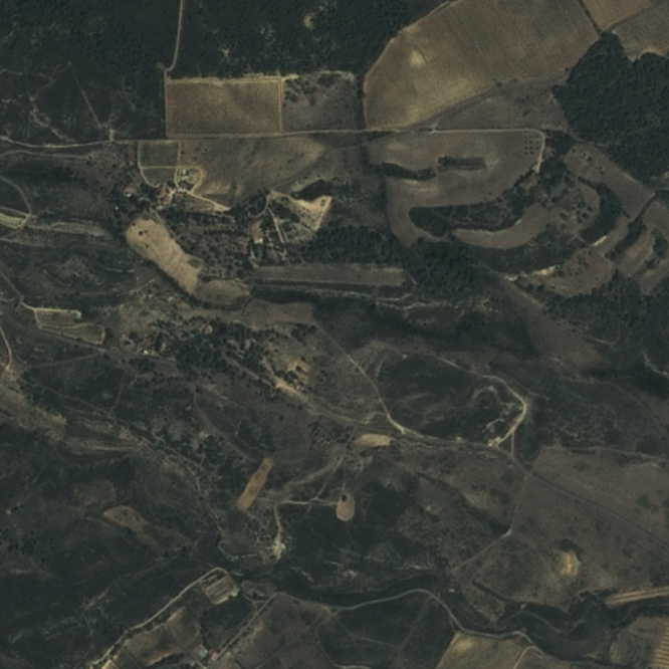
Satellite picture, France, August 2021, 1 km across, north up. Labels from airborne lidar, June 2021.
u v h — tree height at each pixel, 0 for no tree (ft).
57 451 0
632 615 0
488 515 0
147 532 0
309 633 0
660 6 0
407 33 0
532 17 0
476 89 0
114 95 0
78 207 0
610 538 0
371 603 0
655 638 0
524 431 0
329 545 0
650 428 0
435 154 0
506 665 0
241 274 38
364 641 0
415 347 0
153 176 0
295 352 0
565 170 40
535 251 0
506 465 0
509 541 0
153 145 0
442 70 0
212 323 24
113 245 0
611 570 0
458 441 0
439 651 0
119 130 0
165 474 0
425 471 0
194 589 0
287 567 0
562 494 0
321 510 0
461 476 0
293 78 0
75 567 0
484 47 0
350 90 0
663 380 25
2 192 0
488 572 0
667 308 0
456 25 0
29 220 0
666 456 0
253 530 0
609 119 22
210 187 0
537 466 0
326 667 0
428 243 30
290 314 0
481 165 0
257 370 24
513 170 0
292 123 0
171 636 0
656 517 0
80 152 0
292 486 0
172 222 36
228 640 0
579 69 25
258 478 0
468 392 0
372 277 0
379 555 0
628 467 0
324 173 0
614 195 43
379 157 0
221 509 0
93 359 0
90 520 0
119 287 0
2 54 0
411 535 0
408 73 0
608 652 0
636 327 44
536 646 0
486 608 0
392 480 0
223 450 0
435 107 0
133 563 0
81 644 0
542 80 0
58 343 0
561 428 0
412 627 0
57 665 0
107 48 20
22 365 0
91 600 0
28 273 0
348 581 0
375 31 27
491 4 0
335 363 0
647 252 0
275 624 0
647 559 0
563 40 0
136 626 0
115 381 0
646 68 34
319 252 27
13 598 0
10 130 0
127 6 0
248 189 0
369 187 0
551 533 0
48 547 0
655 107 28
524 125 0
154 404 0
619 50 32
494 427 0
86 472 0
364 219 0
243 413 0
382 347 0
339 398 0
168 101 0
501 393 0
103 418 0
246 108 0
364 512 0
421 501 0
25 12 21
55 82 0
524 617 0
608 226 27
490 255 0
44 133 0
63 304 0
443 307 0
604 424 0
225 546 0
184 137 0
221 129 0
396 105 0
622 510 0
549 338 0
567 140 32
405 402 0
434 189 0
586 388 0
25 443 0
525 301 0
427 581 0
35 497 0
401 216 0
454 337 22
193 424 0
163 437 0
